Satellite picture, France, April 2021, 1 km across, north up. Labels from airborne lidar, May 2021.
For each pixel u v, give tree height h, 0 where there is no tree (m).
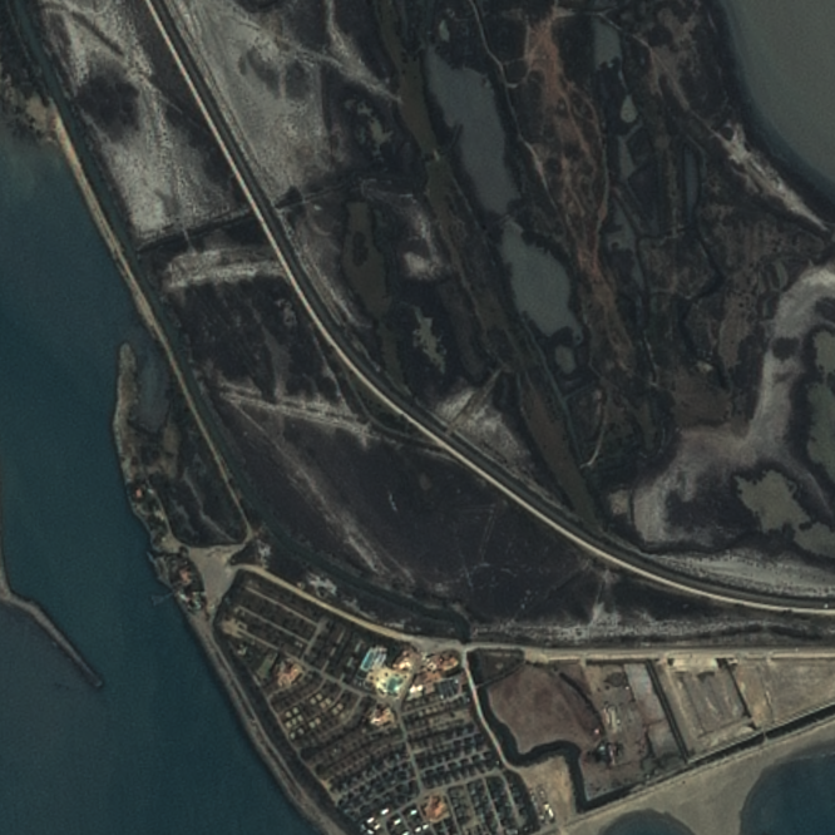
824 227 0
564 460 0
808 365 0
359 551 0
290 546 0
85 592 0
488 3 0
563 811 0
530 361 0
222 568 0
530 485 0
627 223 0
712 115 0
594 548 0
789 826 0
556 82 0
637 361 0
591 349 0
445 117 0
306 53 0
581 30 0
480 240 0
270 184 0
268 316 0
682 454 0
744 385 0
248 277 0
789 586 0
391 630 0
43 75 0
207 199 0
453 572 0
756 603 0
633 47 0
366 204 0
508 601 0
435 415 0
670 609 0
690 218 0
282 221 0
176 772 0
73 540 0
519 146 0
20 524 0
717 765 0
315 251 0
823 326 0
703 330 0
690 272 0
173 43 0
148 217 0
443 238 0
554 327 0
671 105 0
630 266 0
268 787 0
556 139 0
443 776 6
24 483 0
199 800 0
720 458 0
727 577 0
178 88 0
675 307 0
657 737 0
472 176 0
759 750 0
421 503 0
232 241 0
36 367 0
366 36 0
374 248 0
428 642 0
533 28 0
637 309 0
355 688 0
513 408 0
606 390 0
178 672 0
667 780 0
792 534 0
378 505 0
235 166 0
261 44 0
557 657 0
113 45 0
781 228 0
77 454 0
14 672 0
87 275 0
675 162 0
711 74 0
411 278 0
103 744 0
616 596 0
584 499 0
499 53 0
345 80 0
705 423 0
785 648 0
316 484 0
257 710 0
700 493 0
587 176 0
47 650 0
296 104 0
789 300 0
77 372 0
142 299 0
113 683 0
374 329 0
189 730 0
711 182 0
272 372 0
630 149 0
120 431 0
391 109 0
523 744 0
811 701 0
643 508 0
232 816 0
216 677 0
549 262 0
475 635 0
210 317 0
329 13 0
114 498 0
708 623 0
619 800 0
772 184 0
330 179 0
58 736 0
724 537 0
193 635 0
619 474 0
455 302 0
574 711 0
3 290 0
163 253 0
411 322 0
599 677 0
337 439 0
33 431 0
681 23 0
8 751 0
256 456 0
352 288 0
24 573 0
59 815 0
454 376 0
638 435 0
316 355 0
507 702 0
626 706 0
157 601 0
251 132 0
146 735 0
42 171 0
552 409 0
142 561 0
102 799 0
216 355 0
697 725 0
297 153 0
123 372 0
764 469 0
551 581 0
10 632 0
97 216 0
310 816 0
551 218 0
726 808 0
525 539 0
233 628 0
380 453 0
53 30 0
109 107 0
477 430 0
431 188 0
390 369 0
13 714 0
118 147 0
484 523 0
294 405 0
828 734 0
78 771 0
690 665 0
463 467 0
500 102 0
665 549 0
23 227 0
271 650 0
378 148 0
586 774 0
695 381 0
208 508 0
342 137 0
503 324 0
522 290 0
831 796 0
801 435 0
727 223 0
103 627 0
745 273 0
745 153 0
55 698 0
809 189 0
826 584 0
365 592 0
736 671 0
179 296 0
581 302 0
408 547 0
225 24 0
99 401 0
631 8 0
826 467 0
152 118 0
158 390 0
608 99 0
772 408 0
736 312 0
